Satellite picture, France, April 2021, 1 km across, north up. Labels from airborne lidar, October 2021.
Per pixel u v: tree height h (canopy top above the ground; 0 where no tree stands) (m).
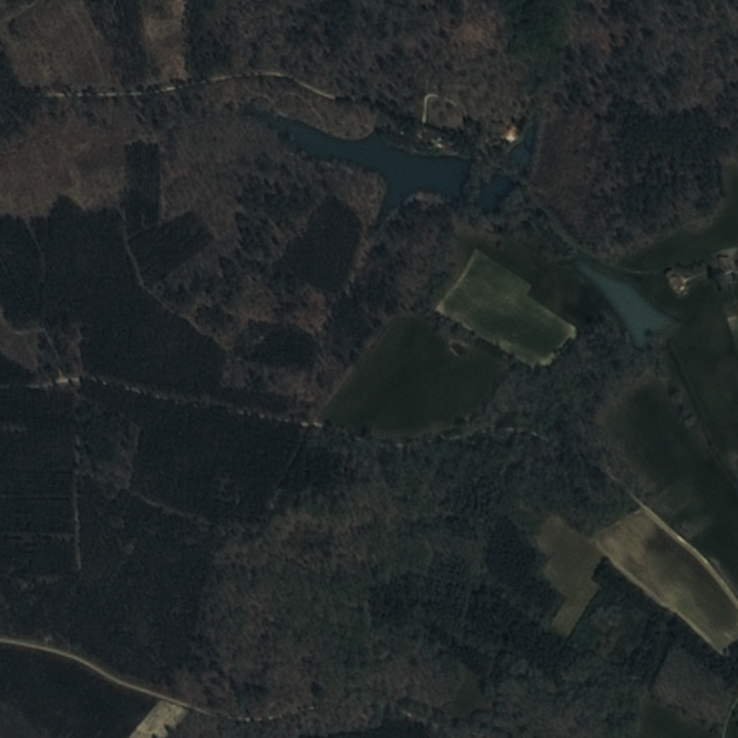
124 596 11
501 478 20
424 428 0
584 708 17
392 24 21
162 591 12
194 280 12
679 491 0
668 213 13
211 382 12
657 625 16
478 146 20
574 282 0
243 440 13
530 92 18
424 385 0
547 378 17
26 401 13
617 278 0
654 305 0
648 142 22
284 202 22
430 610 18
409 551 24
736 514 0
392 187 0
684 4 12
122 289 13
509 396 17
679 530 0
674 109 13
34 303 14
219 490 9
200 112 14
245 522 11
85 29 0
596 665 22
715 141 24
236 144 14
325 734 20
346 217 13
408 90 10
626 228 14
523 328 0
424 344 0
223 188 12
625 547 0
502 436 22
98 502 12
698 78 13
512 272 0
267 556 19
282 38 15
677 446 0
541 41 26
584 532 16
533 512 22
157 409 14
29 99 26
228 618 21
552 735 19
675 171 18
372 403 0
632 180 19
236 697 17
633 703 23
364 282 12
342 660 20
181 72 0
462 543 24
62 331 10
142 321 12
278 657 16
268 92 11
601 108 12
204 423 13
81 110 12
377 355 0
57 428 13
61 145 0
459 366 0
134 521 12
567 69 12
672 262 0
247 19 11
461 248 0
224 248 16
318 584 25
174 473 13
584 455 19
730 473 0
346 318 16
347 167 12
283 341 10
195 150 15
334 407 0
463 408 0
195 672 14
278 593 23
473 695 0
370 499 18
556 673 20
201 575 11
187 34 17
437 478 15
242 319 14
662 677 19
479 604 21
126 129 9
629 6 11
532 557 21
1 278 17
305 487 15
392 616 19
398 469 24
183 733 12
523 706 16
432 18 10
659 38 19
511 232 12
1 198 0
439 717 20
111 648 9
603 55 15
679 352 0
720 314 0
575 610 0
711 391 0
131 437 25
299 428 12
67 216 12
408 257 8
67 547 13
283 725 15
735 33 14
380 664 14
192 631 12
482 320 0
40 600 11
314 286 12
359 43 19
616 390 21
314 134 0
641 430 0
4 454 10
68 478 14
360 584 23
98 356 13
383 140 23
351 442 11
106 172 0
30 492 10
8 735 0
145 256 7
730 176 0
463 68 16
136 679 10
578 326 0
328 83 16
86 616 13
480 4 13
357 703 19
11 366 10
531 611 18
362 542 22
